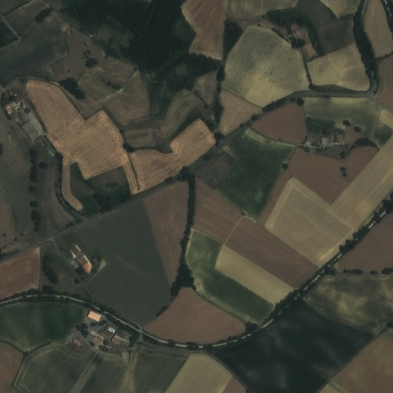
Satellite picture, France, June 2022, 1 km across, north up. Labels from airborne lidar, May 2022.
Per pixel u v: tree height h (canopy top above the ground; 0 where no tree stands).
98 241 0
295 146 0
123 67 0
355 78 0
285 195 0
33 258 0
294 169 0
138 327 10
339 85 0
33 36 0
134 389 0
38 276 0
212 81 0
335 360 0
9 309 0
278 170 0
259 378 0
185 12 0
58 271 0
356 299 0
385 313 0
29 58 0
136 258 0
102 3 18
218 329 0
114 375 0
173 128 0
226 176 0
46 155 0
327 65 0
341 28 0
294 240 0
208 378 0
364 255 0
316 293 0
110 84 10
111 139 0
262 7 0
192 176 16
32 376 0
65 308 0
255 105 0
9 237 0
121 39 0
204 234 0
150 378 0
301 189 0
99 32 0
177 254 0
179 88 8
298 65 0
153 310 0
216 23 0
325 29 0
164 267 0
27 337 0
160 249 0
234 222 0
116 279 0
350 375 0
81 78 0
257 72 0
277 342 0
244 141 0
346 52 0
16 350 0
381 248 0
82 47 0
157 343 14
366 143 19
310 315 0
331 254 0
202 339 0
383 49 0
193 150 0
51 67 0
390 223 0
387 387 0
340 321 0
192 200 13
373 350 0
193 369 0
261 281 0
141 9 20
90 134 0
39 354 0
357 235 14
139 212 0
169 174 0
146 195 0
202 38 0
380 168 0
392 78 0
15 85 0
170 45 18
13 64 0
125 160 0
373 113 0
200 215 0
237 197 0
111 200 7
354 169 0
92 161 0
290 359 0
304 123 0
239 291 0
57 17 0
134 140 0
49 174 0
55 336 0
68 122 0
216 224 0
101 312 11
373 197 0
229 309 0
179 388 0
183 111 0
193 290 8
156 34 20
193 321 0
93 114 0
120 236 0
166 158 0
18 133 0
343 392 0
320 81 0
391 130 0
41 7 0
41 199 0
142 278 0
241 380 0
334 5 0
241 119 0
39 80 0
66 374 0
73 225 8
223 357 0
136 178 0
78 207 0
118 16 15
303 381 0
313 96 0
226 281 0
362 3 9
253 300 0
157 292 0
